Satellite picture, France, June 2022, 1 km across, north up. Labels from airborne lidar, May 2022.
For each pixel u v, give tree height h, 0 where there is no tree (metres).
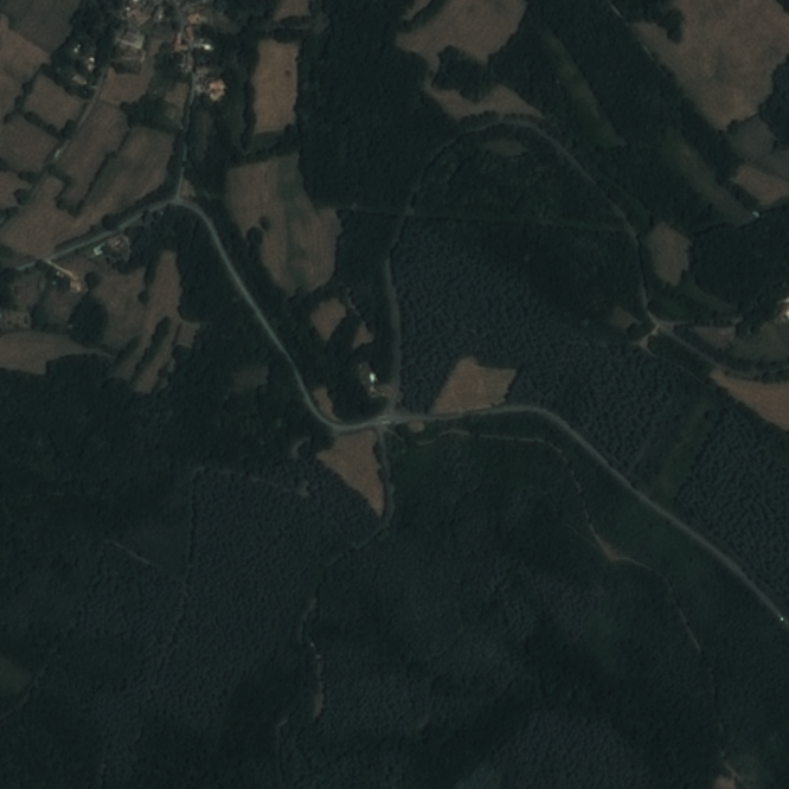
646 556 8
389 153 15
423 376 14
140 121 7
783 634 6
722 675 9
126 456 17
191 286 7
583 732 20
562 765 15
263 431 16
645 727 8
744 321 10
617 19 13
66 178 6
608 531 6
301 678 18
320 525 19
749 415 14
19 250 0
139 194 0
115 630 14
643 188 24
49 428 17
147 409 17
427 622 14
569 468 10
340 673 11
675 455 0
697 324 10
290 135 14
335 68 15
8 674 0
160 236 10
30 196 11
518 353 16
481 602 16
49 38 0
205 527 16
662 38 0
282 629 18
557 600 15
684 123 17
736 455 19
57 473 14
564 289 6
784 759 9
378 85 13
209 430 16
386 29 17
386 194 16
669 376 16
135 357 0
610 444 17
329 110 12
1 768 11
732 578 10
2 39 0
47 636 12
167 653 13
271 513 18
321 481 15
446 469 10
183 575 8
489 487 14
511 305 18
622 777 16
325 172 19
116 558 9
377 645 15
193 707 18
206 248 13
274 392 19
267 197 0
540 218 10
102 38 16
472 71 17
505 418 9
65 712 8
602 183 16
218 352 15
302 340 15
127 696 15
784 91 17
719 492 19
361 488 0
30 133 0
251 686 9
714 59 0
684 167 0
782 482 21
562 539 8
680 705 12
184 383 9
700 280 20
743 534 16
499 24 0
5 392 15
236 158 15
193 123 7
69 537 9
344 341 17
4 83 0
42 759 8
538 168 15
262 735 14
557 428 8
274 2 11
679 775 14
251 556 16
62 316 0
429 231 19
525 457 7
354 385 14
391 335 11
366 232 17
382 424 0
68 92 13
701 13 0
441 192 17
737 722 8
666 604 8
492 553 16
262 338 6
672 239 0
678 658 9
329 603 12
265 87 0
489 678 20
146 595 16
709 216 13
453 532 14
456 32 0
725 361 17
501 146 0
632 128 15
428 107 15
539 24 6
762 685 10
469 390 0
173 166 10
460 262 17
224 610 15
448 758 15
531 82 14
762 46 0
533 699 18
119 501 14
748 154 0
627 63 16
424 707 18
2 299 17
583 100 0
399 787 8
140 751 12
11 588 12
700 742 10
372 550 14
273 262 0
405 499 9
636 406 19
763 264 20
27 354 0
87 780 8
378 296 10
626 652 15
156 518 11
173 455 17
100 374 11
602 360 19
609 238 12
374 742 18
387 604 14
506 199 19
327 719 17
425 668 23
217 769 17
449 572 12
